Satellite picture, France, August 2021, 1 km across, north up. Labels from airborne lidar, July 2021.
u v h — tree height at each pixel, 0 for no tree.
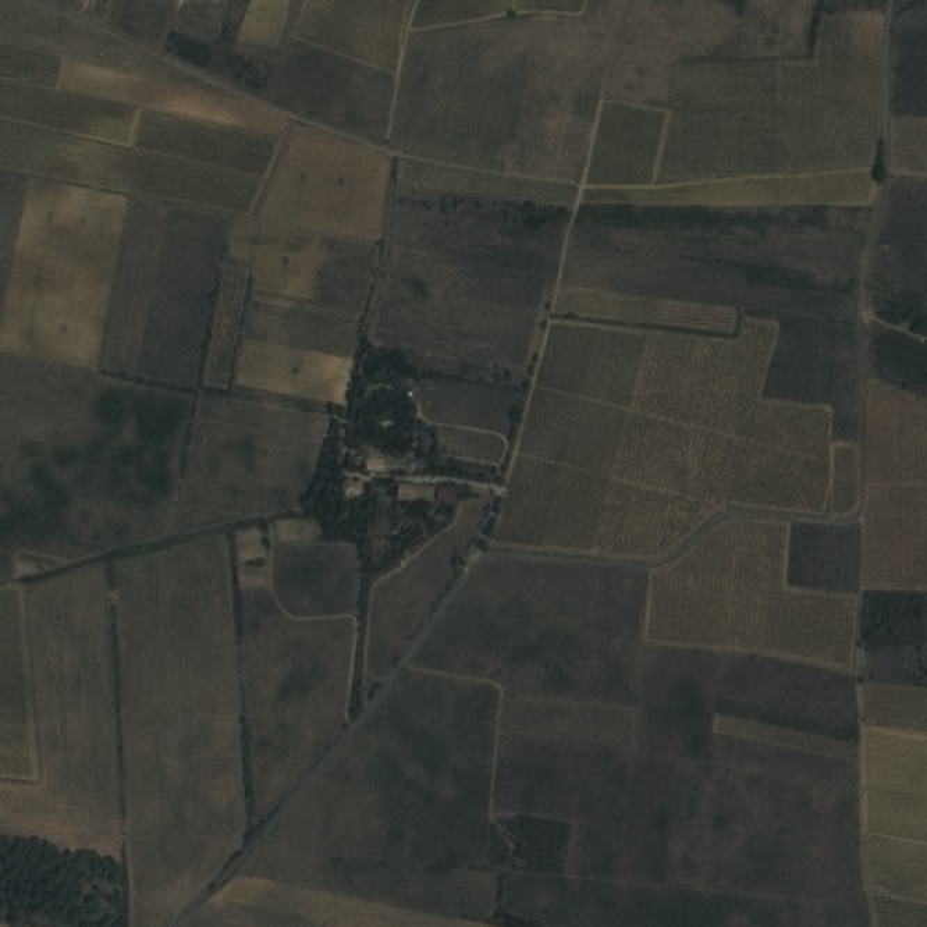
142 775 0
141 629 0
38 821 0
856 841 0
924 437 0
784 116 0
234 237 0
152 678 0
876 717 0
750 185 0
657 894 0
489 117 0
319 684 0
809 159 0
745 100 0
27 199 0
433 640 0
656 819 0
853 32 0
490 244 0
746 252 0
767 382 0
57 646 0
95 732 0
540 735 0
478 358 0
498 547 0
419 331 0
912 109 0
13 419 0
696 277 0
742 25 0
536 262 0
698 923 0
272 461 0
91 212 0
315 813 0
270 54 0
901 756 0
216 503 0
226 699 0
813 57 0
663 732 0
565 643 0
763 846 0
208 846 0
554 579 0
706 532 0
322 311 0
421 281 0
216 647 0
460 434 0
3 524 0
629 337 0
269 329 0
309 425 0
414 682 0
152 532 0
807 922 0
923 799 0
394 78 0
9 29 0
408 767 0
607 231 0
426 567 0
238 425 0
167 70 0
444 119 0
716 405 0
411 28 0
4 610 0
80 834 0
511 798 0
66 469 0
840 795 0
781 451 0
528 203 8
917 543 0
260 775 0
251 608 0
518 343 0
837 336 0
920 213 0
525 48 0
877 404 0
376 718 0
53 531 0
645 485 0
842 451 0
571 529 0
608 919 0
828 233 0
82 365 0
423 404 0
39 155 0
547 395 0
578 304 0
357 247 0
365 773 0
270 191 0
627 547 0
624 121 0
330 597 0
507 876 0
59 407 0
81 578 0
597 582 0
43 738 0
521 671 0
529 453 0
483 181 0
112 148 0
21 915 17
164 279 0
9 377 0
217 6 0
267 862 0
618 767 0
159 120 0
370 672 0
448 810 0
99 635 0
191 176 0
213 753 0
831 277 0
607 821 0
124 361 0
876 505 0
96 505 0
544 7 0
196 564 0
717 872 0
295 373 0
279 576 0
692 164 0
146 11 0
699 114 0
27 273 0
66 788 0
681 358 0
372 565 9
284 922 0
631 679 0
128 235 0
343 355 0
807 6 0
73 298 0
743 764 0
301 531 0
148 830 0
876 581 0
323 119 0
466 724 0
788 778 0
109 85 0
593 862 0
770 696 0
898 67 0
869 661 0
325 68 0
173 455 0
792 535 0
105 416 0
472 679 0
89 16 0
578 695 0
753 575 0
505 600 0
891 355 0
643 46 0
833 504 0
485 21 0
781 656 0
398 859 0
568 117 0
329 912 0
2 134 0
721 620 0
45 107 0
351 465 9
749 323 0
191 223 0
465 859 0
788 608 0
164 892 0
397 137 0
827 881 0
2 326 0
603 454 0
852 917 0
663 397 0
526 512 0
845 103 0
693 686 0
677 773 0
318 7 0
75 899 13
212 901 0
